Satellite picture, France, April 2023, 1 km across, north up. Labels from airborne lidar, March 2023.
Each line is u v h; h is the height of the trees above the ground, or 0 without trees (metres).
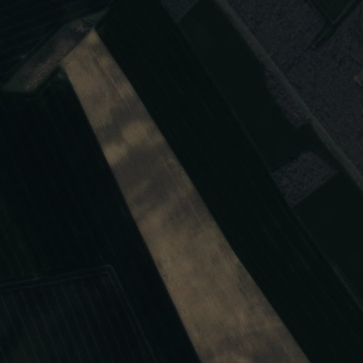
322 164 9
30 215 0
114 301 0
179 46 0
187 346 0
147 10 0
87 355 0
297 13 17
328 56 18
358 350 0
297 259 0
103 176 0
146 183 0
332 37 10
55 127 0
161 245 0
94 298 0
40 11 0
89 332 0
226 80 0
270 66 0
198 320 0
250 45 0
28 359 0
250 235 0
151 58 0
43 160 0
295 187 8
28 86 0
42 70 0
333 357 0
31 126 0
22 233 0
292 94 0
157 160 0
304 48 14
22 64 0
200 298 0
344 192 0
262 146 0
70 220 0
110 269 0
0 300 0
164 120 0
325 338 0
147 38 0
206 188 0
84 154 0
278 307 0
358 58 15
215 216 0
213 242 0
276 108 0
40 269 0
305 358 0
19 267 0
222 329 0
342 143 18
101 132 0
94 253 0
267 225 0
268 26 15
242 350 0
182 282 0
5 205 0
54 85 0
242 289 0
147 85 0
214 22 0
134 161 0
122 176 0
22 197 0
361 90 16
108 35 0
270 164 0
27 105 0
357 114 24
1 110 0
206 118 0
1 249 0
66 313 0
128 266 0
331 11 0
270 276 0
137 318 0
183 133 0
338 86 19
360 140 17
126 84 0
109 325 0
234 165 0
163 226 0
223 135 0
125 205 0
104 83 0
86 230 0
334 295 0
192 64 0
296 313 0
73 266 0
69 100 0
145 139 0
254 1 17
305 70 19
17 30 0
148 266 0
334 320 0
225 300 0
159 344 0
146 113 0
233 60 0
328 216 0
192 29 0
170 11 16
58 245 0
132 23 0
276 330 0
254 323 0
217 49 0
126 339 0
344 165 0
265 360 0
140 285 0
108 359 0
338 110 22
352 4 0
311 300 0
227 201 0
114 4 0
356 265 0
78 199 0
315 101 20
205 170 0
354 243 0
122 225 0
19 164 0
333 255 0
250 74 0
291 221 0
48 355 0
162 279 0
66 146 0
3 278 0
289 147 0
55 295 0
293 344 0
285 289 0
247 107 0
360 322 0
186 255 0
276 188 0
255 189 0
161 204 0
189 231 0
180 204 0
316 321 0
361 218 0
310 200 0
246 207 0
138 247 0
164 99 0
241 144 0
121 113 0
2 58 0
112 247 0
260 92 0
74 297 0
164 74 0
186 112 0
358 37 15
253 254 0
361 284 0
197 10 0
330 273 0
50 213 0
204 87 0
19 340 0
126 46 0
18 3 0
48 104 0
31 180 0
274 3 14
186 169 0
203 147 0
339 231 0
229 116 0
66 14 0
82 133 0
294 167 12
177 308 0
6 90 0
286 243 0
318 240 0
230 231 0
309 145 0
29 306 0
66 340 0
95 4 0
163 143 0
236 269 0
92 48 0
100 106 0
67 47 0
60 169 0
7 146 0
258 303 0
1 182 0
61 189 0
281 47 15
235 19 0
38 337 0
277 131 0
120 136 0
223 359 0
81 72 0
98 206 0
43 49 0
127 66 0
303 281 0
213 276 0
